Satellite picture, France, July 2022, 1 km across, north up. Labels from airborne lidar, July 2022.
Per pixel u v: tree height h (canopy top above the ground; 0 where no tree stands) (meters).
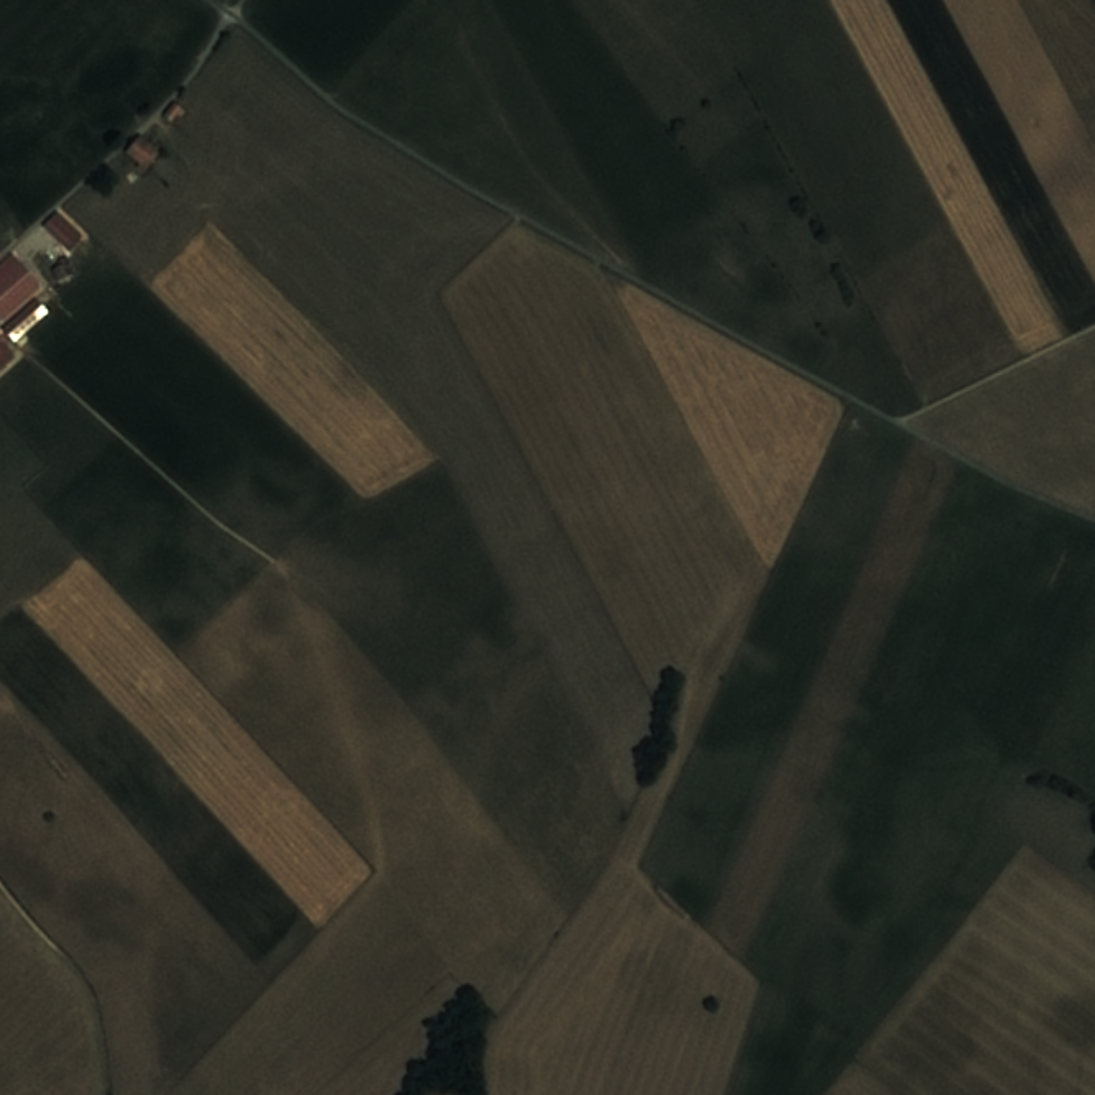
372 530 0
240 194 0
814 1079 0
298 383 0
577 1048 0
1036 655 0
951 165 0
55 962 0
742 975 0
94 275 0
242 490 0
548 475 0
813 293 0
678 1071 0
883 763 0
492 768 0
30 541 0
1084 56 0
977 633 0
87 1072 0
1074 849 0
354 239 0
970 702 0
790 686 0
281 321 0
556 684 0
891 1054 0
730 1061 0
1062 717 0
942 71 0
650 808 0
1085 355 0
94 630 0
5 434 0
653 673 0
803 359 0
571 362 0
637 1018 0
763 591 0
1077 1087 0
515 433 0
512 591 0
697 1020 0
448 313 0
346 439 0
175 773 0
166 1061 0
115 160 0
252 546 0
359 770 0
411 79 0
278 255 0
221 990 0
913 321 0
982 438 0
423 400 0
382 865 0
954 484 0
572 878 0
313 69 0
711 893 0
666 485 0
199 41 0
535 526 0
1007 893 0
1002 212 0
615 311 0
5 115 0
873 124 0
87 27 0
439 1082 20
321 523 0
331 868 0
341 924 0
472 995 16
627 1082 0
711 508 0
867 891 0
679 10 0
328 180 0
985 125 0
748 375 0
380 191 0
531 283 0
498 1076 0
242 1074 0
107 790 0
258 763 0
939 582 0
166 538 0
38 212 0
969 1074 0
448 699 0
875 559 0
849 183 0
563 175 0
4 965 0
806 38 0
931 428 0
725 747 0
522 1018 0
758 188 0
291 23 0
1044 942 0
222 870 0
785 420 0
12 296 0
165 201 0
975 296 0
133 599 0
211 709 0
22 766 0
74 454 0
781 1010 0
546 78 0
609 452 0
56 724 0
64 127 0
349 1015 0
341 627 0
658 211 0
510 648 0
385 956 0
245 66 0
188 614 0
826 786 0
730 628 0
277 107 0
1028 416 0
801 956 0
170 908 0
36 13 0
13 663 0
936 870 0
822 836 0
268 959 0
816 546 0
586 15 0
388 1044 0
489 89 0
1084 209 0
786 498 0
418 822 0
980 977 0
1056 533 0
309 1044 0
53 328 0
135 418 0
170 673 0
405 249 0
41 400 0
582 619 0
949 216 0
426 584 0
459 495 0
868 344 0
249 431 0
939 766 0
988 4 0
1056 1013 0
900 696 0
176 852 0
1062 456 0
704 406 0
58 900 0
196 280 0
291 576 0
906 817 0
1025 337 0
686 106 0
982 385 0
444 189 0
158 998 0
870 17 0
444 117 0
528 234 0
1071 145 0
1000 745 0
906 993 0
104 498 0
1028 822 0
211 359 0
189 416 0
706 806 0
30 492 0
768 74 0
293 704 0
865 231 0
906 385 0
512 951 0
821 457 0
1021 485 0
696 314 0
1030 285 0
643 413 0
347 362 0
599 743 0
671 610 0
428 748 0
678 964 0
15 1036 0
